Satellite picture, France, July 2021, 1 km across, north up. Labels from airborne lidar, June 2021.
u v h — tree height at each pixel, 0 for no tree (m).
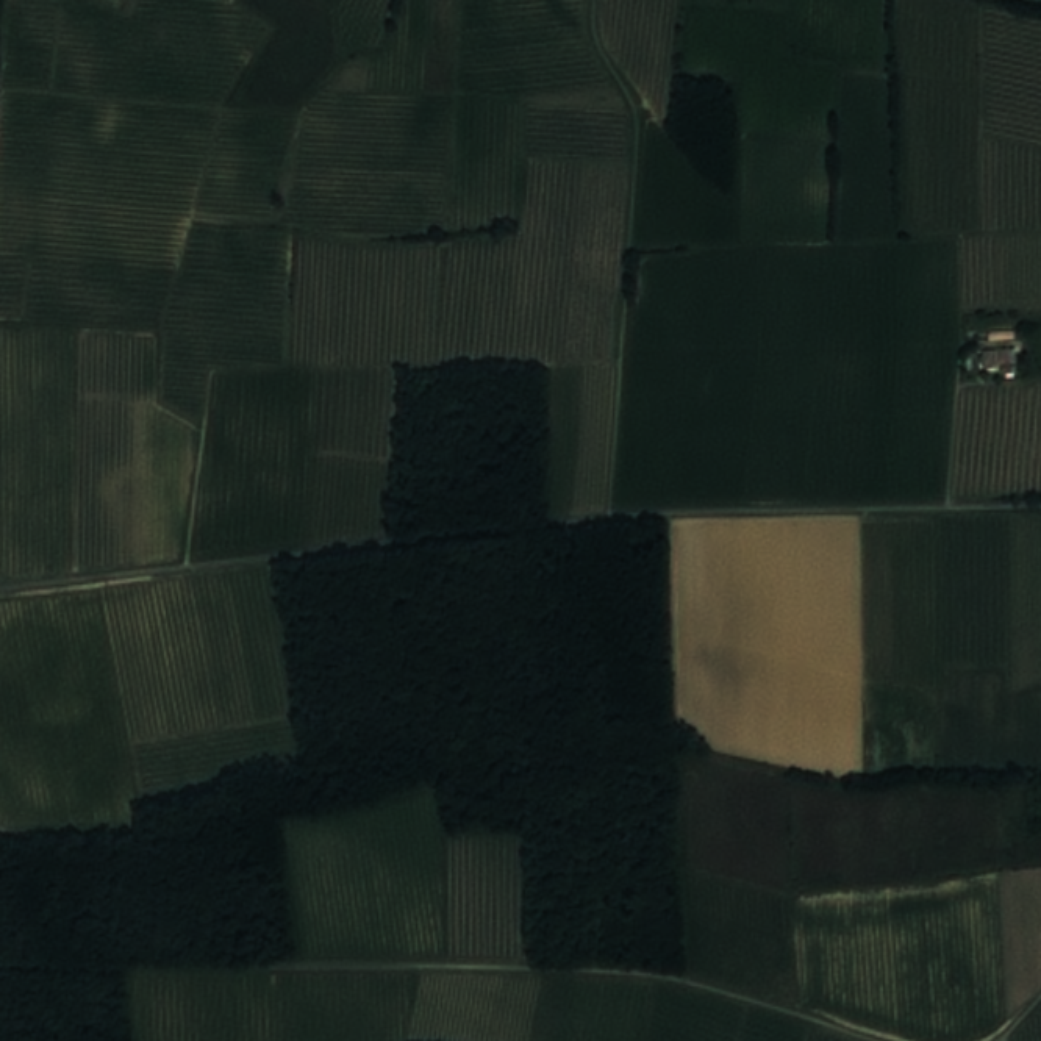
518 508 20
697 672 0
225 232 0
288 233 0
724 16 0
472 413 21
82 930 23
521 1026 0
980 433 0
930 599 0
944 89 0
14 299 0
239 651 0
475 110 0
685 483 0
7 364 0
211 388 0
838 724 0
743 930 0
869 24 0
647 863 25
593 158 0
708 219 0
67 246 0
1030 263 0
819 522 0
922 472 0
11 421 0
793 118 0
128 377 0
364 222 0
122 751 0
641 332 0
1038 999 0
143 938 18
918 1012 0
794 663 0
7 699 0
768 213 0
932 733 0
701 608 0
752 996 0
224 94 0
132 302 0
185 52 0
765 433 0
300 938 0
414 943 0
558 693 18
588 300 0
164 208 0
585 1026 0
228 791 24
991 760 0
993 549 0
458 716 22
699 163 12
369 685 24
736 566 0
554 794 19
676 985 0
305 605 24
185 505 0
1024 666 0
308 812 25
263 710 0
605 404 0
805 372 0
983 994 0
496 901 0
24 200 0
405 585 25
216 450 0
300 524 0
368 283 0
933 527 0
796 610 0
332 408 0
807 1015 0
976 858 0
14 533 0
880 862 0
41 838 17
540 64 0
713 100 15
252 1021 0
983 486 0
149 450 0
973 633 0
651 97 0
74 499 0
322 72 0
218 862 18
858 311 0
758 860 0
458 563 24
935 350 0
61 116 0
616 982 0
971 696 0
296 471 0
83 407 0
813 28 0
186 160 0
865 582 0
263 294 0
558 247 0
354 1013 0
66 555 0
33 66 0
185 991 0
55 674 0
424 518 16
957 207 0
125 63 0
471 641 23
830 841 0
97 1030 23
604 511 0
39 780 0
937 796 0
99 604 0
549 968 11
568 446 0
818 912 0
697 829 0
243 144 0
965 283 0
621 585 20
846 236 0
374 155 0
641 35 0
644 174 0
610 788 21
